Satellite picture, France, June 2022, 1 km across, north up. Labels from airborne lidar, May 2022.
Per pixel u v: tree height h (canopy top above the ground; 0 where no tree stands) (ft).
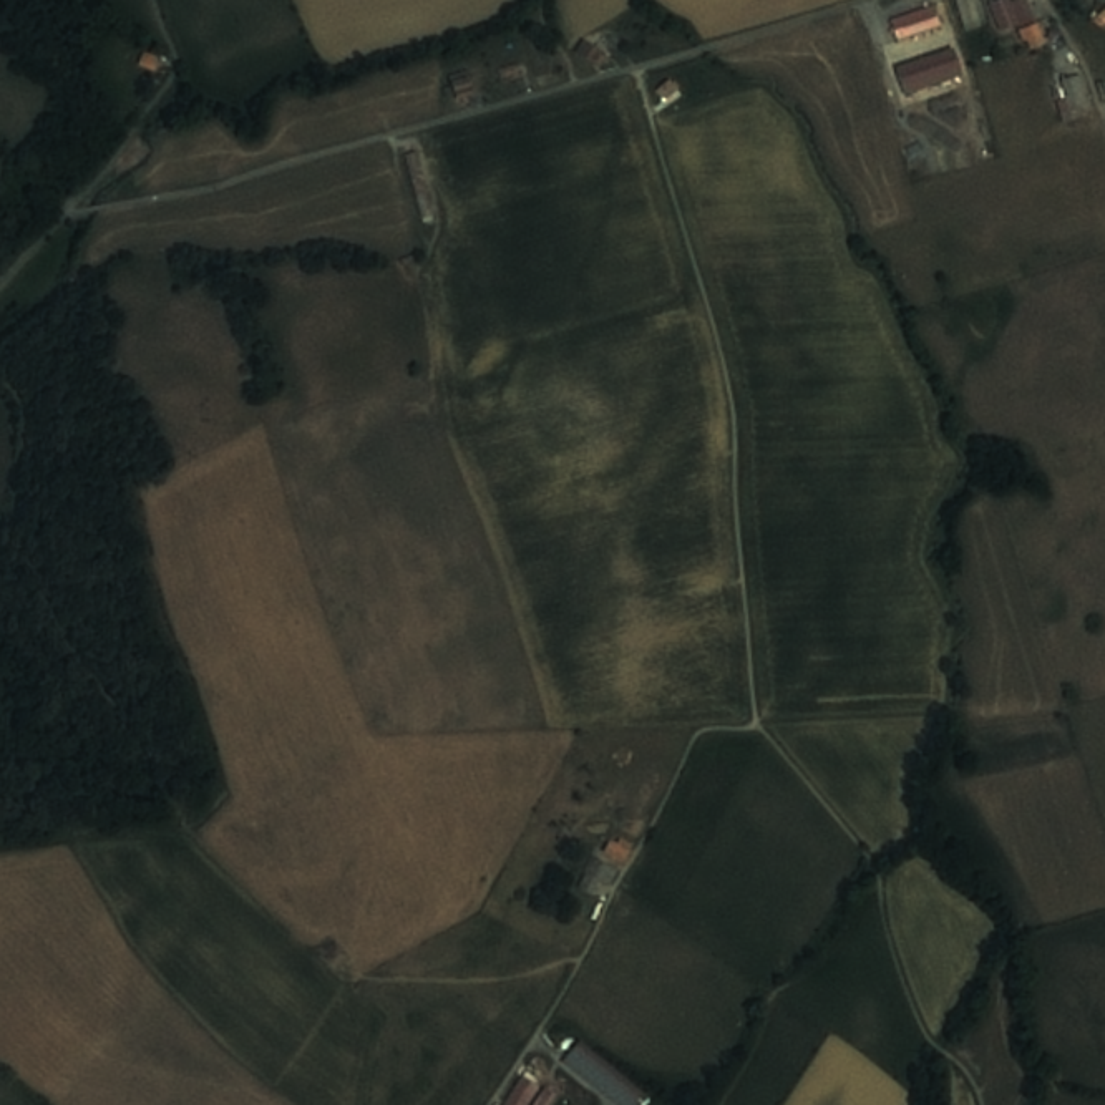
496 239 0
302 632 0
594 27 0
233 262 47
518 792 0
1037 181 0
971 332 0
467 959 0
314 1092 0
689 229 0
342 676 0
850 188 0
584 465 0
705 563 0
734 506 0
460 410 0
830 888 0
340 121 0
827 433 0
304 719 0
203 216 0
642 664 0
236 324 47
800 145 0
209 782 54
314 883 0
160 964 0
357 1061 0
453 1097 0
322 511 0
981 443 51
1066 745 0
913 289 0
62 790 77
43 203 65
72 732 50
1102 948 0
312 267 46
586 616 0
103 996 0
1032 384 0
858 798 0
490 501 0
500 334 0
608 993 0
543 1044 0
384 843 0
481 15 0
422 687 0
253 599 0
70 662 70
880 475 0
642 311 0
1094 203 0
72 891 0
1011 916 41
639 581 0
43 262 0
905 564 0
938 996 0
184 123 88
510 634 0
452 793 0
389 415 0
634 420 0
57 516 76
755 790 0
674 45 0
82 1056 0
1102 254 0
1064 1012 0
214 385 0
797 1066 0
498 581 0
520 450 0
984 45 0
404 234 0
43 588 60
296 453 0
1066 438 0
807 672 0
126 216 0
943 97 0
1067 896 0
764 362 0
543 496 0
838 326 0
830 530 0
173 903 0
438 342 0
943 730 94
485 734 0
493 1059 0
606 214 0
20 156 62
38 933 0
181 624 0
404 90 0
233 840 0
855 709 0
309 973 0
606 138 0
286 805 0
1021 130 0
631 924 0
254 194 0
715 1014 0
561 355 0
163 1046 0
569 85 0
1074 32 0
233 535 0
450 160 0
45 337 31
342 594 0
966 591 0
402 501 0
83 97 77
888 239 0
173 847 0
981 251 0
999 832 0
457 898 0
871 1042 0
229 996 0
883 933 0
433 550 0
